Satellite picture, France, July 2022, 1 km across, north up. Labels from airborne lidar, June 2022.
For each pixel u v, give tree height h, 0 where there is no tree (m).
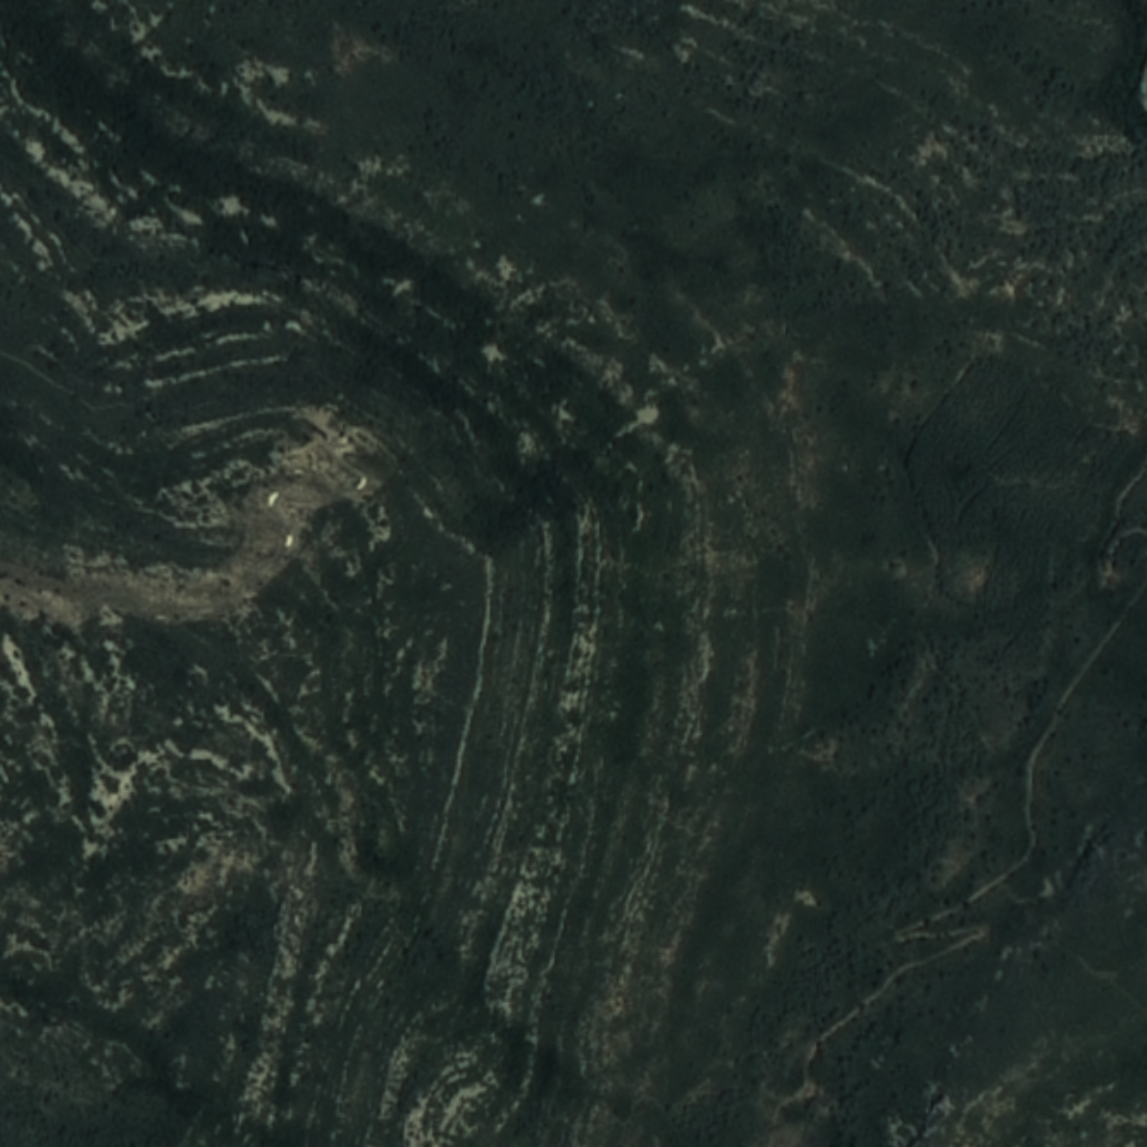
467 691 0
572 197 0
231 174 6
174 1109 6
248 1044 10
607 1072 0
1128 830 0
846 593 0
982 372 7
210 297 0
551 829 8
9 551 0
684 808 0
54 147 7
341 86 0
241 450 0
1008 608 9
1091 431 8
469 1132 0
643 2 9
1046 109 10
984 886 0
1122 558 5
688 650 0
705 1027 0
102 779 0
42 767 0
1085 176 11
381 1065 0
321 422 0
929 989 7
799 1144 0
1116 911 0
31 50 11
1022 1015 0
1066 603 0
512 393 6
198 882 0
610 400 11
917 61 0
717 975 0
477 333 8
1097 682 0
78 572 0
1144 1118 0
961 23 0
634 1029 0
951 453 10
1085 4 0
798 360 0
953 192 0
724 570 0
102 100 11
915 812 8
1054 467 9
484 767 0
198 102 8
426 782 0
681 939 0
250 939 6
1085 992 0
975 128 11
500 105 6
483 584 0
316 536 0
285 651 0
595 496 6
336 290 8
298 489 0
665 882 0
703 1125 9
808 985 8
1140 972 0
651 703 0
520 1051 9
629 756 6
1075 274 8
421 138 8
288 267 8
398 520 0
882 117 0
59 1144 6
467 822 0
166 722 0
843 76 0
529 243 0
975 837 9
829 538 0
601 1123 0
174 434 0
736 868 0
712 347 0
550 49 9
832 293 9
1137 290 0
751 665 0
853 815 11
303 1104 0
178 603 0
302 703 0
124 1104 6
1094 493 6
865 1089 10
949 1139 0
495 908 0
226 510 0
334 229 7
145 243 0
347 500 0
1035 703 10
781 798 0
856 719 8
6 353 0
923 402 0
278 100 8
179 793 0
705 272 0
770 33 7
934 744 8
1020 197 9
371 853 10
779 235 8
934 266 8
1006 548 9
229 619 0
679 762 7
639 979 0
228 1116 7
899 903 12
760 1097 0
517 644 0
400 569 0
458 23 5
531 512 12
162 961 0
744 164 6
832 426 0
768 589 0
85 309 0
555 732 0
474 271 0
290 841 0
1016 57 9
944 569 6
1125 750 0
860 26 0
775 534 7
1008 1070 0
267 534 0
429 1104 0
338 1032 0
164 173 7
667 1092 0
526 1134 8
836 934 9
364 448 0
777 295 7
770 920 0
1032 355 0
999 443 8
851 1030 0
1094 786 0
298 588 0
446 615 0
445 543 0
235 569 0
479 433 9
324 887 0
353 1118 0
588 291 0
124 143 8
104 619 0
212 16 6
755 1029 7
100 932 0
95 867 6
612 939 0
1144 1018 0
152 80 6
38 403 0
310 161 6
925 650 7
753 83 9
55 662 0
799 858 0
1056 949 0
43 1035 0
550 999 7
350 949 9
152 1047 6
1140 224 10
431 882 0
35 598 0
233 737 0
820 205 0
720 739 0
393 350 8
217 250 9
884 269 6
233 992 0
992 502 10
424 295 9
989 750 6
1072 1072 0
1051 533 10
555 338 6
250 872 0
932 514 10
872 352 0
